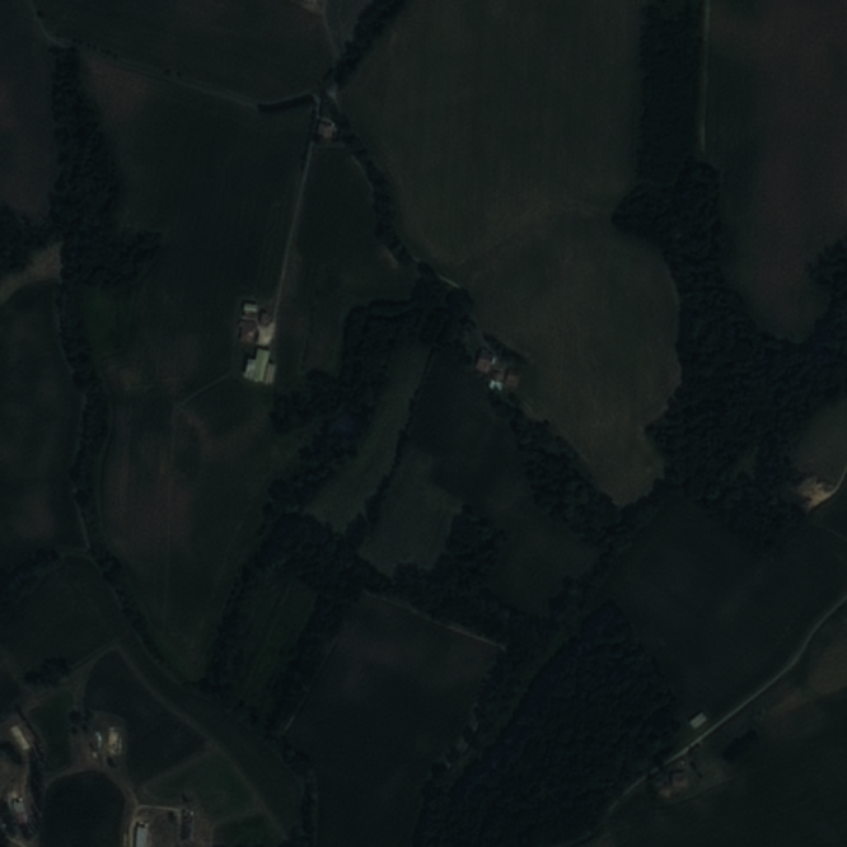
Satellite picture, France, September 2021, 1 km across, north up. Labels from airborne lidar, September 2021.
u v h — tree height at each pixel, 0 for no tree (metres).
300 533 22
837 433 0
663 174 7
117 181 7
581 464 0
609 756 27
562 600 13
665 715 22
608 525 15
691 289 21
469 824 23
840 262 14
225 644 15
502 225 0
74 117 18
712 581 0
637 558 0
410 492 0
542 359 0
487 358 0
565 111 0
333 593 23
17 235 25
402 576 19
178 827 0
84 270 19
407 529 0
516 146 0
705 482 22
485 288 0
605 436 0
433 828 19
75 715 8
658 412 0
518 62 0
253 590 16
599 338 0
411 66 0
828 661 0
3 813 15
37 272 0
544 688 23
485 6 0
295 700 17
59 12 0
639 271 0
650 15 6
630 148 0
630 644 21
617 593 0
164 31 0
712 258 28
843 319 18
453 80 0
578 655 22
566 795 21
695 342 23
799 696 0
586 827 21
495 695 20
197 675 0
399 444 8
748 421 25
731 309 21
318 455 19
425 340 12
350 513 0
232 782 0
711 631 0
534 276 0
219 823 0
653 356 0
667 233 17
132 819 0
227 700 20
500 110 0
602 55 0
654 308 0
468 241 0
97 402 15
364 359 24
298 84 0
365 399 28
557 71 0
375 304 10
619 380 0
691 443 19
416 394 7
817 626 0
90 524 6
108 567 14
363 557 0
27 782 0
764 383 25
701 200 18
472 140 0
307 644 17
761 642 0
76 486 15
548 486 19
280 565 26
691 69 6
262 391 0
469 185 0
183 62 0
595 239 0
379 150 0
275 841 0
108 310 0
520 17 0
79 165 20
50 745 0
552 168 0
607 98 0
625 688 33
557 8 0
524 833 29
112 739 0
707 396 18
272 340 0
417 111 0
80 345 17
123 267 18
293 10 0
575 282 0
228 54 0
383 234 16
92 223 16
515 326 0
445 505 0
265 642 0
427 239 0
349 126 15
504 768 25
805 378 21
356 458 25
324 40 0
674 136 8
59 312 14
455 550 14
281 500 25
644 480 0
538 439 19
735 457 16
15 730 0
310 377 8
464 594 19
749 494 24
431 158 0
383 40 0
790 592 0
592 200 0
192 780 0
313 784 14
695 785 0
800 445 0
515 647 22
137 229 0
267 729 9
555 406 0
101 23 0
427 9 0
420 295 19
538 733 22
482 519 7
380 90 0
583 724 29
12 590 18
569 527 18
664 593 0
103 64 0
